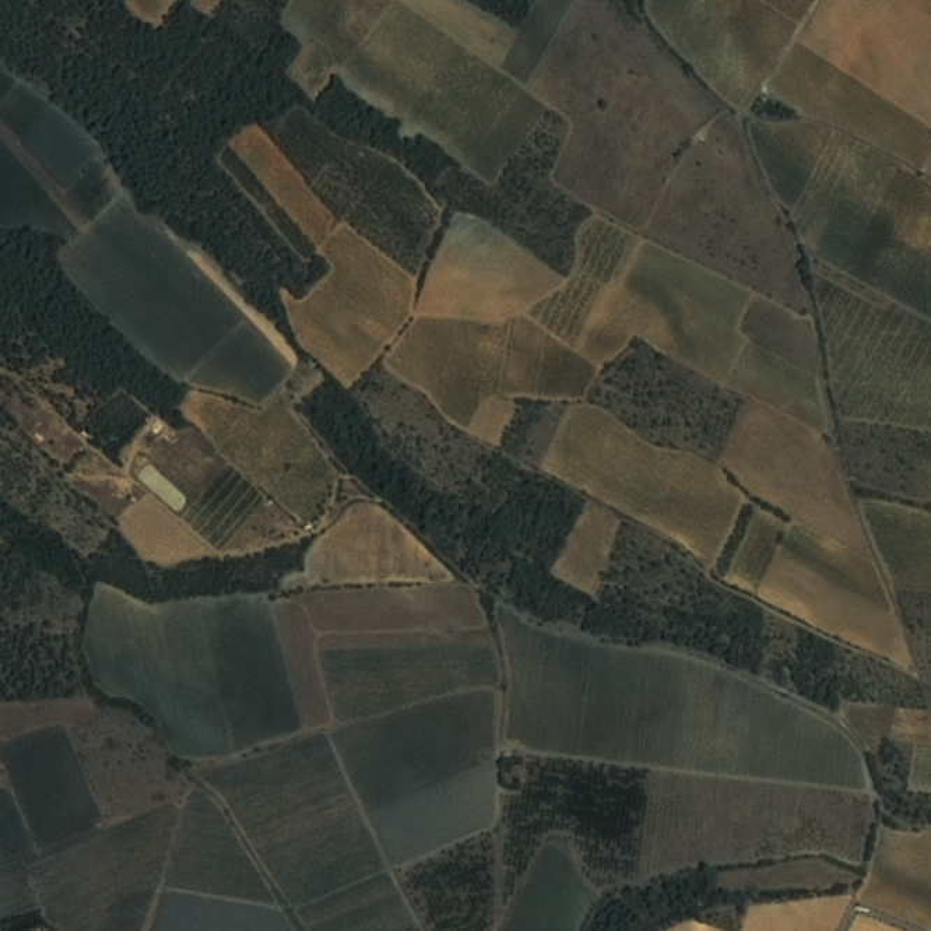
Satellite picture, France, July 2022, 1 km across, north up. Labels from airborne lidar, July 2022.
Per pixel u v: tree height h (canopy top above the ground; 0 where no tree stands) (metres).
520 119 0
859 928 0
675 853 0
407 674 0
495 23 0
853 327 0
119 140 17
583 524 0
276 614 0
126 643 0
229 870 0
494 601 6
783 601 0
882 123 0
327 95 11
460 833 0
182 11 10
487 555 7
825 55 0
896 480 0
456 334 0
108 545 7
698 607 8
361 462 8
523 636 0
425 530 17
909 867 0
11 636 11
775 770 0
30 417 0
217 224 12
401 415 0
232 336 0
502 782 13
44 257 13
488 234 0
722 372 0
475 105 0
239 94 12
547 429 0
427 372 0
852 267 0
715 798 0
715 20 0
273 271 9
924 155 0
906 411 0
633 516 0
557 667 0
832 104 0
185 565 6
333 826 0
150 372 15
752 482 0
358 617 0
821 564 0
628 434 0
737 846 0
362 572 0
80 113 14
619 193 0
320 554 0
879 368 0
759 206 0
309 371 0
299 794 0
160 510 0
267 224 10
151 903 0
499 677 0
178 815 0
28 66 12
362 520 0
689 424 8
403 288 0
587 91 0
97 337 13
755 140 0
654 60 0
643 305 0
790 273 0
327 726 0
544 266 0
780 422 0
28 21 13
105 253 0
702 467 0
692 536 0
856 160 0
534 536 9
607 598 6
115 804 0
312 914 0
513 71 0
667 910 12
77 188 0
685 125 0
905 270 0
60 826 0
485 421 0
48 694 11
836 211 0
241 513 0
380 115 16
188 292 0
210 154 12
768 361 0
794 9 0
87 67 12
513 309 0
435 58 0
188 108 8
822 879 0
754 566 0
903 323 0
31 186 0
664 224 0
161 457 0
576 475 0
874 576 0
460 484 7
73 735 0
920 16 0
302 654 0
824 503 0
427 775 0
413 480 13
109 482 0
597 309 0
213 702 0
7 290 11
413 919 0
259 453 0
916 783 0
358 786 0
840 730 0
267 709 0
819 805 0
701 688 0
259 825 0
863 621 0
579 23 0
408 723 0
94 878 0
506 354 0
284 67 9
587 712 0
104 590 0
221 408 0
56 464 10
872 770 8
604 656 0
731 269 0
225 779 0
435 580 0
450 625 0
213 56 9
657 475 0
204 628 0
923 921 0
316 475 0
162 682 0
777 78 0
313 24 0
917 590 0
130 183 8
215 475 0
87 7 14
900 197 0
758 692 0
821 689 8
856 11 0
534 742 0
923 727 0
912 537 0
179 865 0
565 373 0
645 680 0
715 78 0
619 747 0
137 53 13
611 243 0
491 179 0
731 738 0
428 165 9
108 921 0
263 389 0
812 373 0
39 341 13
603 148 0
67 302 15
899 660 0
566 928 0
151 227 0
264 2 8
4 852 0
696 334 0
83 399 11
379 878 0
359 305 0
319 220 0
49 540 9
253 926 0
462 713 0
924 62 0
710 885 12
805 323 0
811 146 0
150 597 9
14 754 0
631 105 0
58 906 0
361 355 0
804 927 0
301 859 0
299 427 0
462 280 0
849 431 0
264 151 0
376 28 0
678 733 0
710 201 0
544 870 0
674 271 0
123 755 0
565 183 0
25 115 0
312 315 0
